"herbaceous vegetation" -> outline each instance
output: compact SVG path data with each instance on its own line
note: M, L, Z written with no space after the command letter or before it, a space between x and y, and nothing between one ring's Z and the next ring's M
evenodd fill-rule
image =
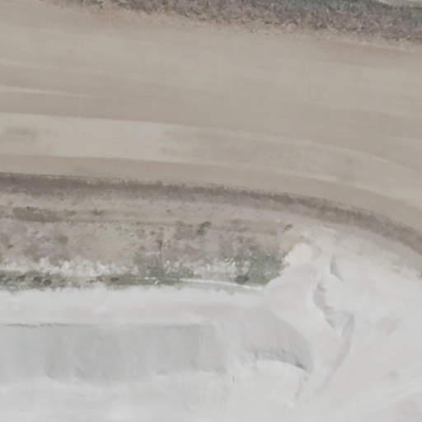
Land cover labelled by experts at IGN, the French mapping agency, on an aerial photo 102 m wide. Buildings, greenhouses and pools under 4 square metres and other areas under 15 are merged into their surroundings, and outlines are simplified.
M270 251L270 247L279 247L284 242L282 234L288 229L305 229L307 226L313 226L316 221L321 221L368 229L391 241L401 242L422 256L422 234L412 227L392 223L384 214L364 214L361 211L336 208L326 199L232 190L224 186L204 188L163 185L160 181L110 183L97 180L87 183L71 176L0 173L0 270L21 274L28 270L38 270L41 274L63 274L66 277L66 287L92 288L99 284L97 275L138 274L134 259L135 252L140 249L145 251L145 257L157 257L157 260L162 262L165 272L176 272L185 267L193 270L193 279L181 279L181 284L178 285L199 290L223 290L227 293L251 295L259 285L236 284L237 275L249 272L249 262L244 260L244 252L251 249L252 244L260 246L264 254Z
M216 25L242 25L249 33L264 30L265 25L279 26L288 23L298 28L335 28L343 33L353 31L356 35L364 36L381 33L384 40L406 40L422 45L422 7L384 5L381 10L371 0L117 0L122 7L130 10L142 10L145 13L175 12L176 15L185 16L190 20L214 21Z

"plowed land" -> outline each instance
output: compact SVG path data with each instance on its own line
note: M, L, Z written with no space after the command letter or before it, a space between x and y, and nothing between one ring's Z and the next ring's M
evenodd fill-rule
M265 25L264 30L249 33L242 25L216 25L214 21L190 20L185 16L176 15L175 12L145 13L142 10L130 10L122 7L117 0L0 0L0 173L71 176L87 183L97 180L110 183L160 181L163 185L204 188L224 186L232 190L326 199L336 208L361 211L364 214L384 214L392 223L412 227L422 234L422 45L406 40L384 40L381 33L364 36L356 35L353 31L343 33L335 28L298 28L288 23L279 26Z

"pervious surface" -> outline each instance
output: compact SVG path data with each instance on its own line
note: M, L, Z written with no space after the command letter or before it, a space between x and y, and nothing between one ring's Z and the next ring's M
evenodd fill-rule
M422 0L371 0L381 10L384 5L422 7Z
M107 287L99 284L92 288L66 287L7 292L5 288L0 287L0 422L422 422L422 256L401 242L391 241L368 229L321 221L316 221L313 226L307 226L305 229L288 229L282 234L284 242L279 247L277 259L282 260L279 277L270 280L269 284L259 285L251 295L227 293L223 290L199 290L178 285Z

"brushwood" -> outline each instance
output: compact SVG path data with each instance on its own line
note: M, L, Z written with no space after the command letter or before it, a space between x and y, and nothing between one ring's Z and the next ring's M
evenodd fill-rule
M277 259L279 247L270 247L270 251L264 254L260 246L252 244L251 249L244 252L244 260L249 262L249 272L237 275L236 284L259 285L269 284L270 280L279 277L282 260Z
M0 287L5 288L7 292L66 287L66 277L63 274L41 274L38 270L28 270L21 274L0 270Z
M181 284L181 279L193 279L193 270L185 267L176 272L165 272L162 262L157 260L157 257L145 257L145 251L140 249L135 252L134 259L138 274L97 275L99 284L107 287L178 285Z

